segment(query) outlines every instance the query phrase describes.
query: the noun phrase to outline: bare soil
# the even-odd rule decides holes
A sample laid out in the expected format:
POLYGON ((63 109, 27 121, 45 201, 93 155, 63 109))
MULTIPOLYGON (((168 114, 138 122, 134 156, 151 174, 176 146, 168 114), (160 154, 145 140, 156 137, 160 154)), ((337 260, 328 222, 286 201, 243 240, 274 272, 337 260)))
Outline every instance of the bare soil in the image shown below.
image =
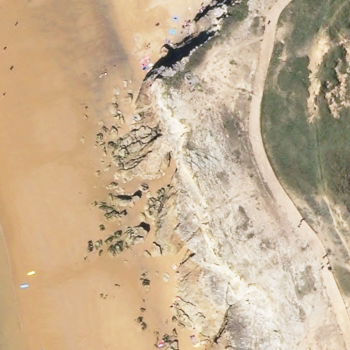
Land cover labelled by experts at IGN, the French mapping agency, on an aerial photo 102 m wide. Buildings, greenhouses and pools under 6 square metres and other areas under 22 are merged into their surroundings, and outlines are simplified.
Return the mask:
POLYGON ((350 297, 350 224, 343 217, 345 206, 335 204, 325 194, 316 196, 321 211, 319 215, 314 215, 313 209, 304 198, 299 197, 286 185, 282 186, 301 219, 305 221, 301 228, 298 224, 293 227, 287 220, 287 213, 279 211, 280 205, 258 168, 253 145, 249 139, 250 104, 254 90, 250 90, 249 82, 230 81, 230 72, 234 71, 238 62, 223 57, 217 64, 204 62, 206 52, 213 45, 223 44, 224 40, 230 40, 230 37, 234 41, 245 42, 253 36, 262 36, 265 29, 271 25, 271 21, 267 19, 269 12, 279 0, 0 0, 0 350, 347 350, 345 335, 340 329, 331 297, 324 295, 327 286, 324 284, 323 269, 320 269, 320 265, 327 262, 328 271, 334 275, 340 294, 350 297))
POLYGON ((284 36, 293 31, 293 12, 287 5, 280 12, 276 23, 275 42, 283 42, 284 36))
POLYGON ((339 33, 338 41, 331 41, 327 31, 320 29, 313 41, 306 42, 305 46, 297 51, 299 57, 309 56, 310 86, 306 112, 308 122, 313 123, 314 119, 320 118, 319 105, 314 103, 314 98, 320 92, 321 85, 317 79, 317 72, 323 57, 325 53, 340 45, 346 49, 346 72, 342 74, 340 67, 336 66, 335 71, 340 85, 329 90, 325 96, 334 118, 338 118, 339 111, 350 107, 350 41, 346 38, 346 31, 339 33))

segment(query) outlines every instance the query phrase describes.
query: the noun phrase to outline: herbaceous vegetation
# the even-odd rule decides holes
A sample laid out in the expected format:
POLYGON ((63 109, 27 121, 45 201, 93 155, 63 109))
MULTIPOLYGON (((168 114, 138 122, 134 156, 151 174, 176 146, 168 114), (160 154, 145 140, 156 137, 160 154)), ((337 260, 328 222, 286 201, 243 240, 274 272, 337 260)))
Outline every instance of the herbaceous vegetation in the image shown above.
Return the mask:
POLYGON ((313 209, 314 215, 319 215, 321 211, 316 196, 325 194, 335 204, 345 206, 343 217, 350 224, 350 107, 339 111, 338 118, 334 118, 325 96, 329 90, 340 85, 335 71, 336 66, 340 67, 342 74, 346 72, 346 49, 340 45, 325 53, 323 57, 317 72, 317 79, 321 85, 320 92, 314 98, 314 103, 319 105, 320 118, 314 119, 313 123, 308 122, 306 112, 310 86, 309 56, 299 57, 297 51, 305 46, 306 42, 313 41, 320 29, 327 31, 331 41, 338 41, 339 33, 346 31, 346 38, 350 41, 350 0, 291 0, 287 5, 293 12, 293 31, 284 36, 283 42, 275 42, 261 98, 260 131, 265 156, 282 186, 286 185, 299 197, 304 198, 313 209))

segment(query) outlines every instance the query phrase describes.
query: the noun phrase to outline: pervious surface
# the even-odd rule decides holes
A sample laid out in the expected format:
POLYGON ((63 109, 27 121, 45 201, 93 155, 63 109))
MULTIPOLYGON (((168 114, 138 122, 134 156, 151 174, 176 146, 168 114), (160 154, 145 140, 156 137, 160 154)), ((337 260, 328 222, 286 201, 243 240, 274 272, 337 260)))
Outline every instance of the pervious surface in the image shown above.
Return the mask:
POLYGON ((250 90, 254 90, 250 104, 249 139, 253 145, 258 168, 280 205, 279 211, 287 213, 287 220, 293 227, 298 224, 301 228, 305 221, 301 219, 282 186, 265 156, 260 131, 261 98, 275 42, 276 23, 280 12, 287 5, 291 0, 279 0, 269 12, 267 19, 271 21, 271 25, 265 29, 262 36, 253 36, 245 42, 234 41, 230 37, 230 40, 224 40, 223 44, 213 45, 206 52, 204 62, 217 64, 223 57, 238 62, 234 71, 230 72, 230 81, 249 82, 250 90))
POLYGON ((350 297, 340 294, 334 275, 328 271, 327 262, 320 265, 320 269, 323 269, 324 284, 327 286, 324 295, 331 297, 340 329, 345 335, 347 350, 350 350, 350 297))

